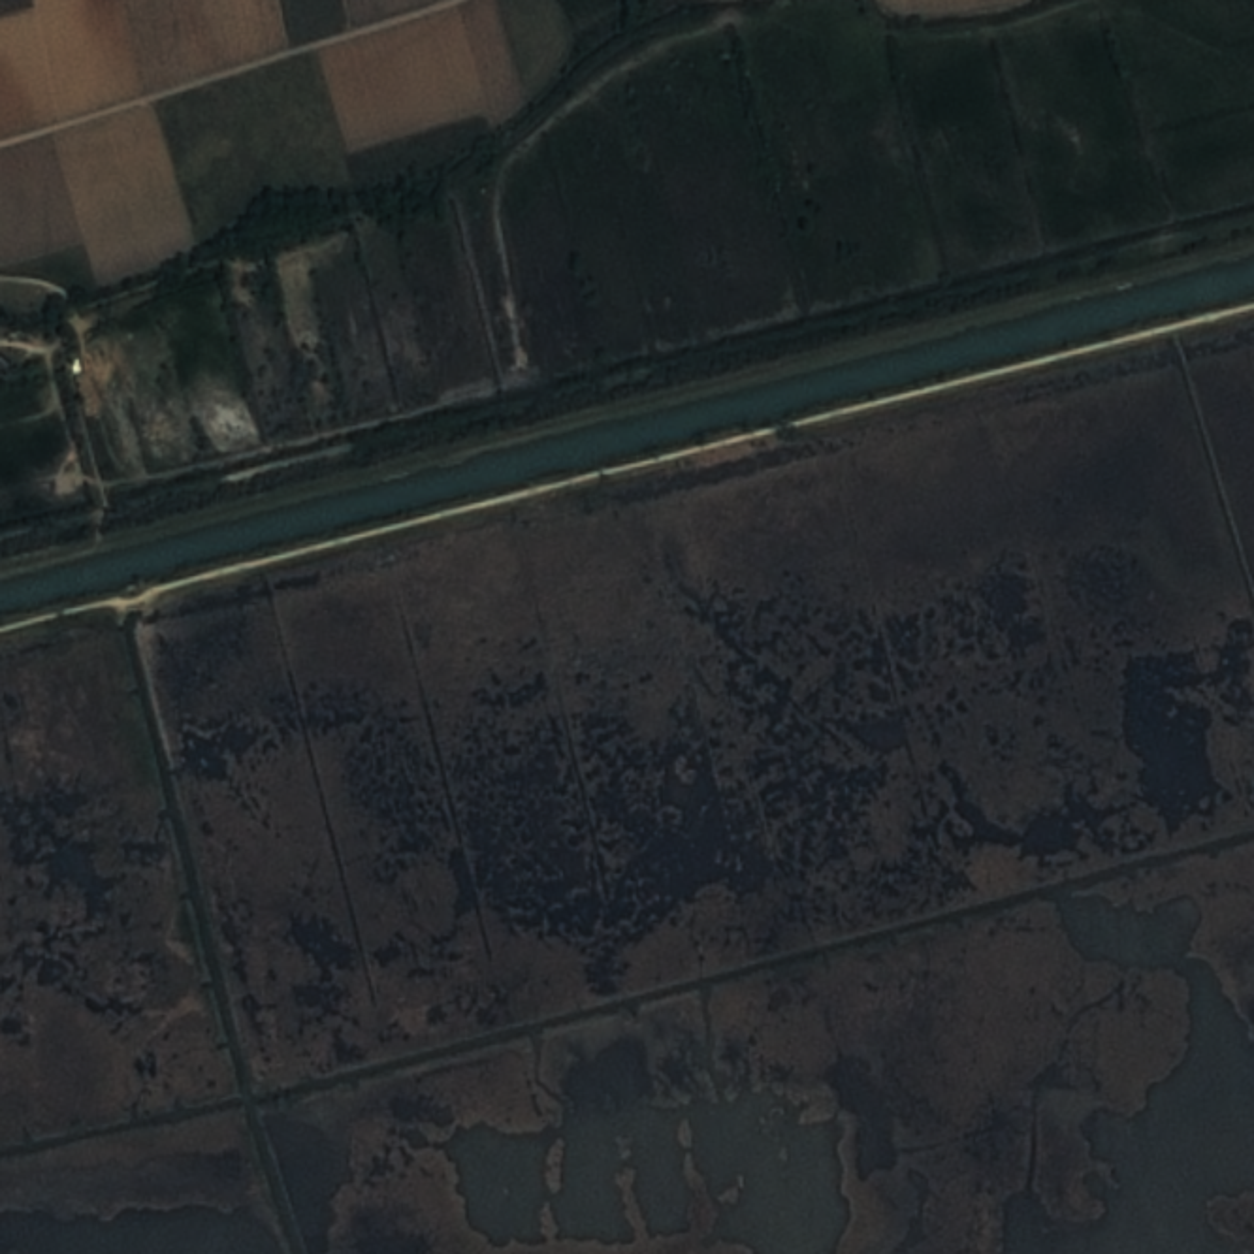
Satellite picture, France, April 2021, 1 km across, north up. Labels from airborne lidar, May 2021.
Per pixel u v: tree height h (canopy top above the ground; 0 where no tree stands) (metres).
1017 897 0
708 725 0
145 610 0
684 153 0
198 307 0
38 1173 0
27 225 0
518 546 0
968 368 0
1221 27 0
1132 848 0
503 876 0
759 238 0
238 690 0
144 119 0
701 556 0
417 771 0
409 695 0
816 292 0
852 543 0
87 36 0
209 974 0
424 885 0
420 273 0
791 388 0
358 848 0
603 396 7
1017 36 0
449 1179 0
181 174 0
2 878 0
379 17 0
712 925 0
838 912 0
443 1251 0
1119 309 0
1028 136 0
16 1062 0
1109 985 0
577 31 0
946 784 0
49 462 0
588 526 0
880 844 0
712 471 0
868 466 0
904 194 0
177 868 0
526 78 0
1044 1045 0
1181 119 0
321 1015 0
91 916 0
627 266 0
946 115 0
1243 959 0
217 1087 0
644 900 0
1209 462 0
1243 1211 0
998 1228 0
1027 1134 0
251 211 6
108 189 0
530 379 0
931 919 0
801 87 0
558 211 0
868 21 0
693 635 0
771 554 0
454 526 0
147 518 7
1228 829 0
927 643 0
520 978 0
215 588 0
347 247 0
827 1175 0
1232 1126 0
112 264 0
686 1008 0
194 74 0
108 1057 0
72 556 0
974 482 0
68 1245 0
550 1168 0
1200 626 0
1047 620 0
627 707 0
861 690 0
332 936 0
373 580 0
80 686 0
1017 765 0
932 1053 0
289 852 0
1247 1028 0
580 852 0
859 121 0
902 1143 0
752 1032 0
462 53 0
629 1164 0
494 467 0
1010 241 0
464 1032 0
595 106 0
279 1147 0
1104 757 0
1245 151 0
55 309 12
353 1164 0
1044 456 0
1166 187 0
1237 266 0
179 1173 0
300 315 0
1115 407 0
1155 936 0
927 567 0
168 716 0
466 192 0
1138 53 0
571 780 0
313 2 0
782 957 0
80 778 0
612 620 0
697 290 0
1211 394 0
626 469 0
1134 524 0
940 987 0
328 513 0
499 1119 0
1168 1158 0
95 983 0
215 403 0
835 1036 0
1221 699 0
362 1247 0
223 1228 0
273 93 0
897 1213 0
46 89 0
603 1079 0
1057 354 0
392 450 8
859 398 0
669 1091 0
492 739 0
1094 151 0
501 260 0
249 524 0
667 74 0
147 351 0
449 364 0
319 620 0
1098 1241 0
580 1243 0
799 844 0
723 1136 0
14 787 0
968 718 0
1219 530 0
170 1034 0
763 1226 0
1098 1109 0
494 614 0
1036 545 0
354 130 0
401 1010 0
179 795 0
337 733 0
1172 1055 0
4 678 0
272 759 0
